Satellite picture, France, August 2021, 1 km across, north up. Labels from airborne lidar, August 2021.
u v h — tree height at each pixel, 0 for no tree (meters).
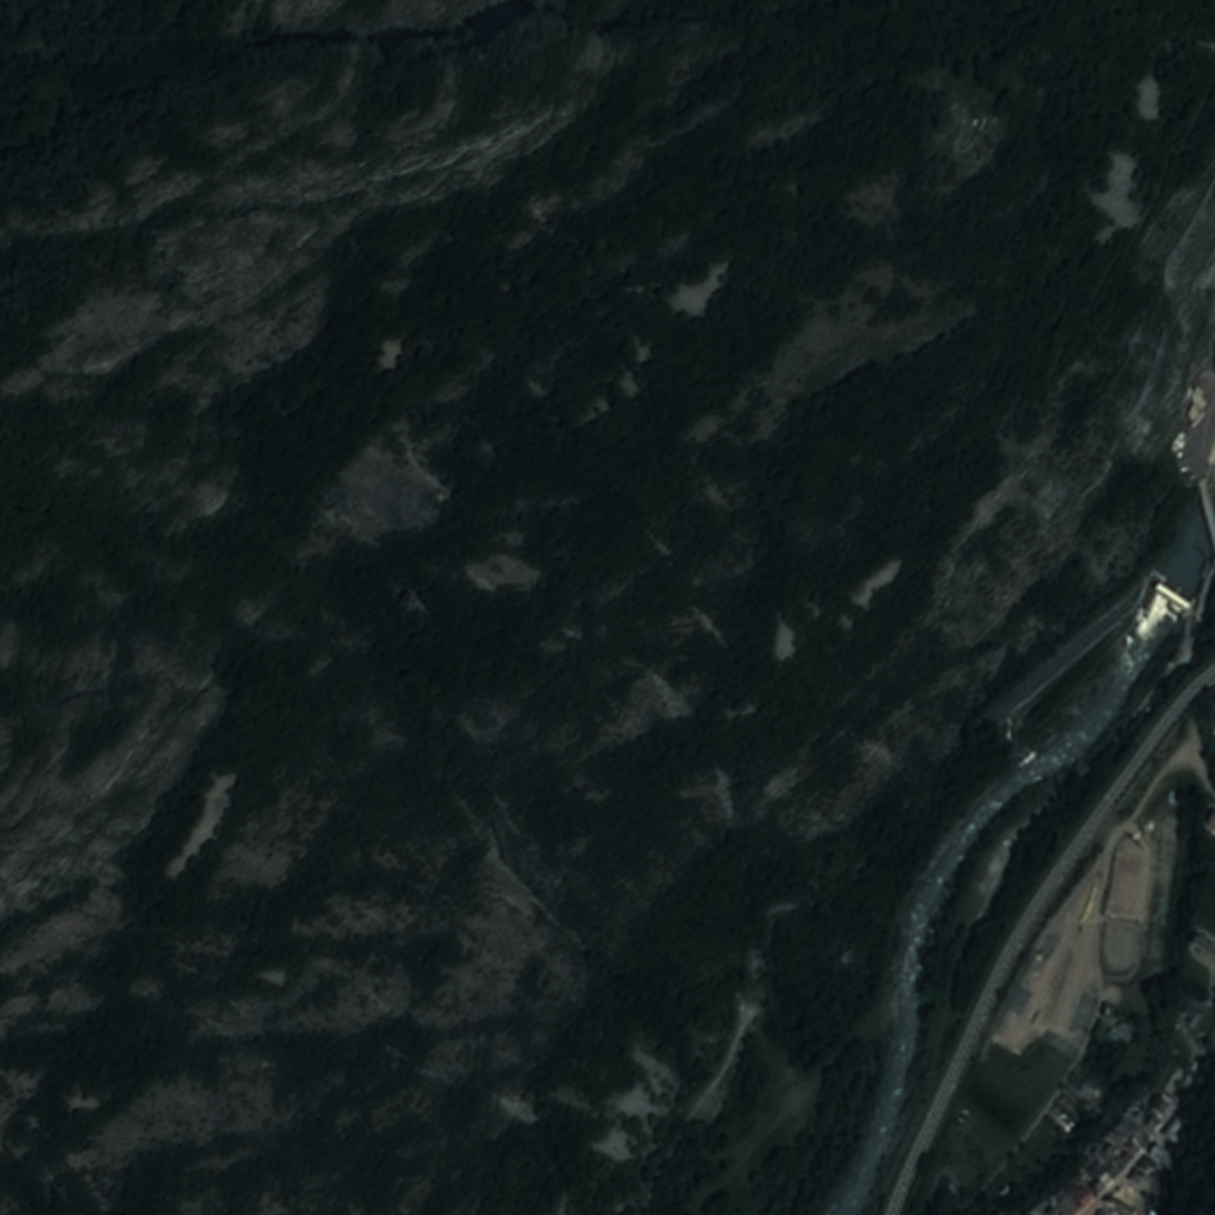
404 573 18
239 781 10
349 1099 10
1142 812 0
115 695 7
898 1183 0
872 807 10
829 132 26
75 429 10
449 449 15
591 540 28
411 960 12
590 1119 10
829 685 13
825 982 12
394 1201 8
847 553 7
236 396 17
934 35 15
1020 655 8
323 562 11
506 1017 7
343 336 24
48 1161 10
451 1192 14
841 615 10
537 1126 14
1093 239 6
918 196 11
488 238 15
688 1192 13
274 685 27
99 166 16
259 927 20
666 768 14
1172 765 0
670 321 21
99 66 12
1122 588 7
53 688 6
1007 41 29
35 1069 9
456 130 11
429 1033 8
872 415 19
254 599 6
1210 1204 21
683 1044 14
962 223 15
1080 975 0
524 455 35
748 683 11
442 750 19
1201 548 0
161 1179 17
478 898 7
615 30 13
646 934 15
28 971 8
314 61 12
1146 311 9
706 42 11
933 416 8
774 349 20
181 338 13
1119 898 0
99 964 14
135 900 15
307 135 7
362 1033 9
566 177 22
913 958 0
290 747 9
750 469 12
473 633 22
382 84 18
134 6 14
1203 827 10
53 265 19
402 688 20
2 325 23
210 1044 10
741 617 10
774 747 12
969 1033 0
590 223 22
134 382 25
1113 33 19
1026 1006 0
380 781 13
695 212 17
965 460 17
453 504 11
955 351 17
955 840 0
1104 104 24
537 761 10
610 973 12
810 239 13
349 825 13
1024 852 18
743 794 13
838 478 9
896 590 13
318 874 14
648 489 26
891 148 19
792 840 10
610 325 22
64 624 12
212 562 15
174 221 17
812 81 6
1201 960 0
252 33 25
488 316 34
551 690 14
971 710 9
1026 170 16
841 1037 16
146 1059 22
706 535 20
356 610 18
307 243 7
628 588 10
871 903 12
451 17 8
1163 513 13
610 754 16
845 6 31
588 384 16
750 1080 16
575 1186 13
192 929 6
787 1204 16
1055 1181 15
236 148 10
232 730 24
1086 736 0
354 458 26
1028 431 11
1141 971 0
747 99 18
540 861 7
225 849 6
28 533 13
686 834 7
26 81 16
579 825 12
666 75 10
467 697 12
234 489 9
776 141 7
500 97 10
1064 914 0
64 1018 11
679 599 13
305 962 12
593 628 8
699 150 16
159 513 7
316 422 26
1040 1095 0
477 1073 8
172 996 13
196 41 24
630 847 13
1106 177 11
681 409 20
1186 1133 15
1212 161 8
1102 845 7
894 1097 0
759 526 9
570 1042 18
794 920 9
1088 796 9
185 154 13
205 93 16
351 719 12
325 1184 8
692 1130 9
